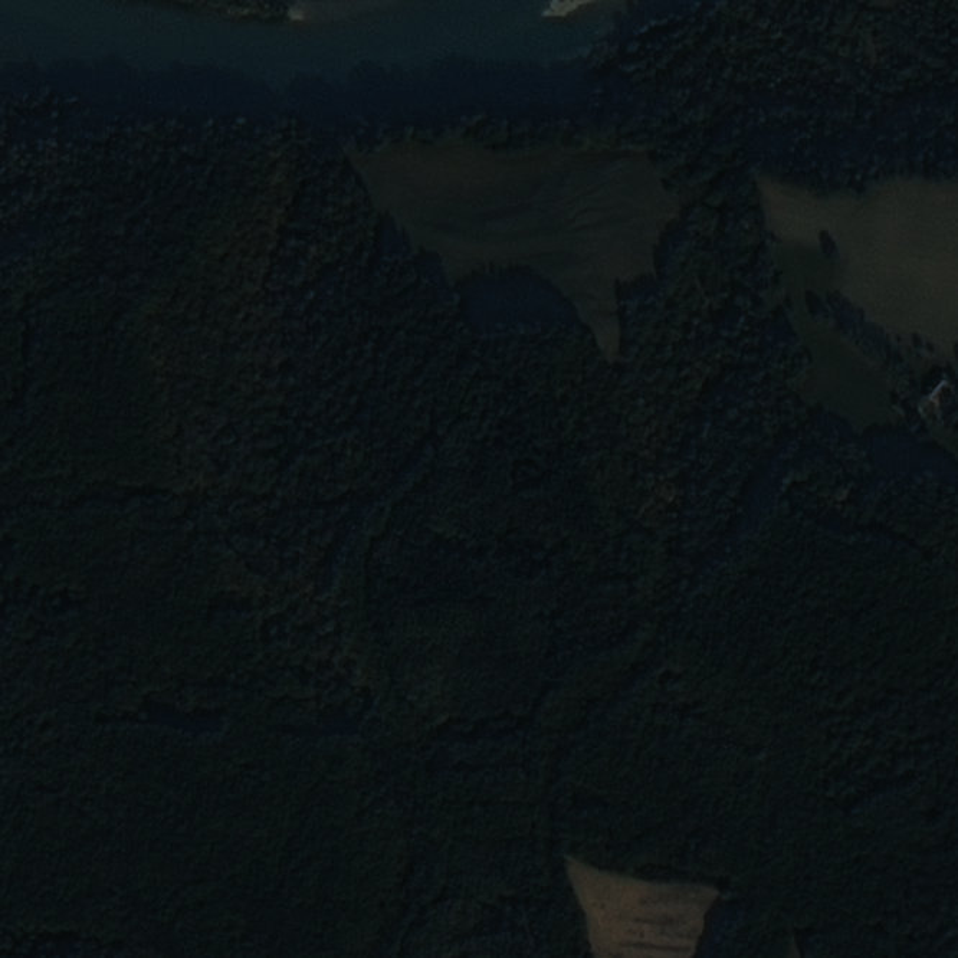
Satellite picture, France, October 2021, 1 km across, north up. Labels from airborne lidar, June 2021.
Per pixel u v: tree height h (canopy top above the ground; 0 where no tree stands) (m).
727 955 24
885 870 25
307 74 0
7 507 16
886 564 24
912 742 14
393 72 0
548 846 23
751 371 15
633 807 22
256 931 24
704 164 36
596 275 0
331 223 25
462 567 21
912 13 7
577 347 21
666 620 29
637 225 0
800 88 14
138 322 16
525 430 18
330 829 22
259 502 11
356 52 0
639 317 18
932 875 24
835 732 15
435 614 19
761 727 18
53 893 24
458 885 16
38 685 21
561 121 23
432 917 16
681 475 17
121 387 23
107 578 23
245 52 0
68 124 14
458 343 21
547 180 0
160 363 15
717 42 25
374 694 15
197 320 16
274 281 11
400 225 0
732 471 20
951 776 26
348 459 21
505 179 0
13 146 14
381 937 21
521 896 13
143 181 27
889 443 0
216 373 23
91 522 23
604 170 0
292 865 24
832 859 26
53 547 23
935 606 27
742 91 8
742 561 20
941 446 0
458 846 17
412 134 15
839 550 23
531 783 24
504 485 23
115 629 22
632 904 0
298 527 18
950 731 22
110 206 25
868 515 23
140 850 24
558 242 0
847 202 0
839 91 13
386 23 0
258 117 22
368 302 23
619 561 14
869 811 24
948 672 23
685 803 20
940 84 12
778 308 0
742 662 22
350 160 0
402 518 19
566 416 18
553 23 0
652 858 23
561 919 22
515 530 13
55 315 18
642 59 23
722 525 13
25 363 17
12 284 24
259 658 21
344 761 26
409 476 17
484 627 19
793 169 24
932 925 28
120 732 24
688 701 22
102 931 26
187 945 25
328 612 7
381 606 19
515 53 0
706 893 0
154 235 26
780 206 0
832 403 0
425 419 19
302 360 18
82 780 20
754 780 24
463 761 16
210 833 23
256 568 11
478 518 20
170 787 22
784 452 19
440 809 19
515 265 0
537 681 17
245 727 21
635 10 0
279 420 19
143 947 24
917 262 0
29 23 0
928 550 17
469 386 16
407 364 23
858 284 0
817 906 22
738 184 27
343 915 22
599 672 27
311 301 12
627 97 27
